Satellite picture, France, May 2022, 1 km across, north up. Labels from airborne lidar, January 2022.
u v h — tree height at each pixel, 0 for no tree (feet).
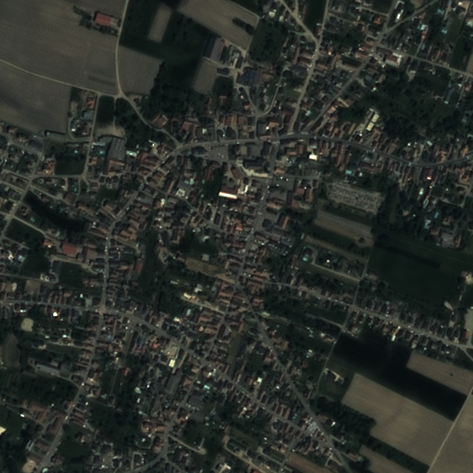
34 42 0
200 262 0
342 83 0
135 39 0
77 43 0
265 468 0
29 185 0
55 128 0
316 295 0
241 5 0
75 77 0
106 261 0
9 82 0
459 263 0
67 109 0
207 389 0
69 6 0
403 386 0
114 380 0
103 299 0
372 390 0
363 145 0
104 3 0
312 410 0
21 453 69
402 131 37
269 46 46
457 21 0
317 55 0
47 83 0
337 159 0
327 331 18
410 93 53
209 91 0
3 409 0
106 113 0
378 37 0
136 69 0
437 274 0
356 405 0
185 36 25
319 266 0
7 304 0
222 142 0
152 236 0
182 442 0
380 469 0
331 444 0
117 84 0
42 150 0
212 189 0
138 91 0
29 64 0
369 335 0
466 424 0
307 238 0
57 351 0
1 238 0
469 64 0
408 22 0
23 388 27
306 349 20
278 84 0
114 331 0
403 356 0
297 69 0
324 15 0
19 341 0
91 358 0
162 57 0
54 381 0
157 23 0
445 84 0
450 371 0
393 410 0
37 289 0
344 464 0
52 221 0
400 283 0
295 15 0
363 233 0
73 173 0
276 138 0
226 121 0
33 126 0
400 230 21
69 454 0
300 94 0
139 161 0
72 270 0
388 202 35
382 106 0
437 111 0
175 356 0
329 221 0
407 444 0
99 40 0
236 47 0
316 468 0
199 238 0
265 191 0
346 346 0
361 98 0
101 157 0
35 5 0
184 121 0
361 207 0
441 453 0
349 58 0
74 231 48
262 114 0
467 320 0
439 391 0
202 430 0
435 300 0
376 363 0
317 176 0
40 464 0
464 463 0
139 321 0
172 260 35
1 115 0
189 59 0
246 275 0
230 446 0
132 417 18
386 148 0
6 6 0
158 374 0
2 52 0
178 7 0
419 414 0
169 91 45
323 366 0
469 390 0
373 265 0
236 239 0
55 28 0
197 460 0
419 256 0
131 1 0
